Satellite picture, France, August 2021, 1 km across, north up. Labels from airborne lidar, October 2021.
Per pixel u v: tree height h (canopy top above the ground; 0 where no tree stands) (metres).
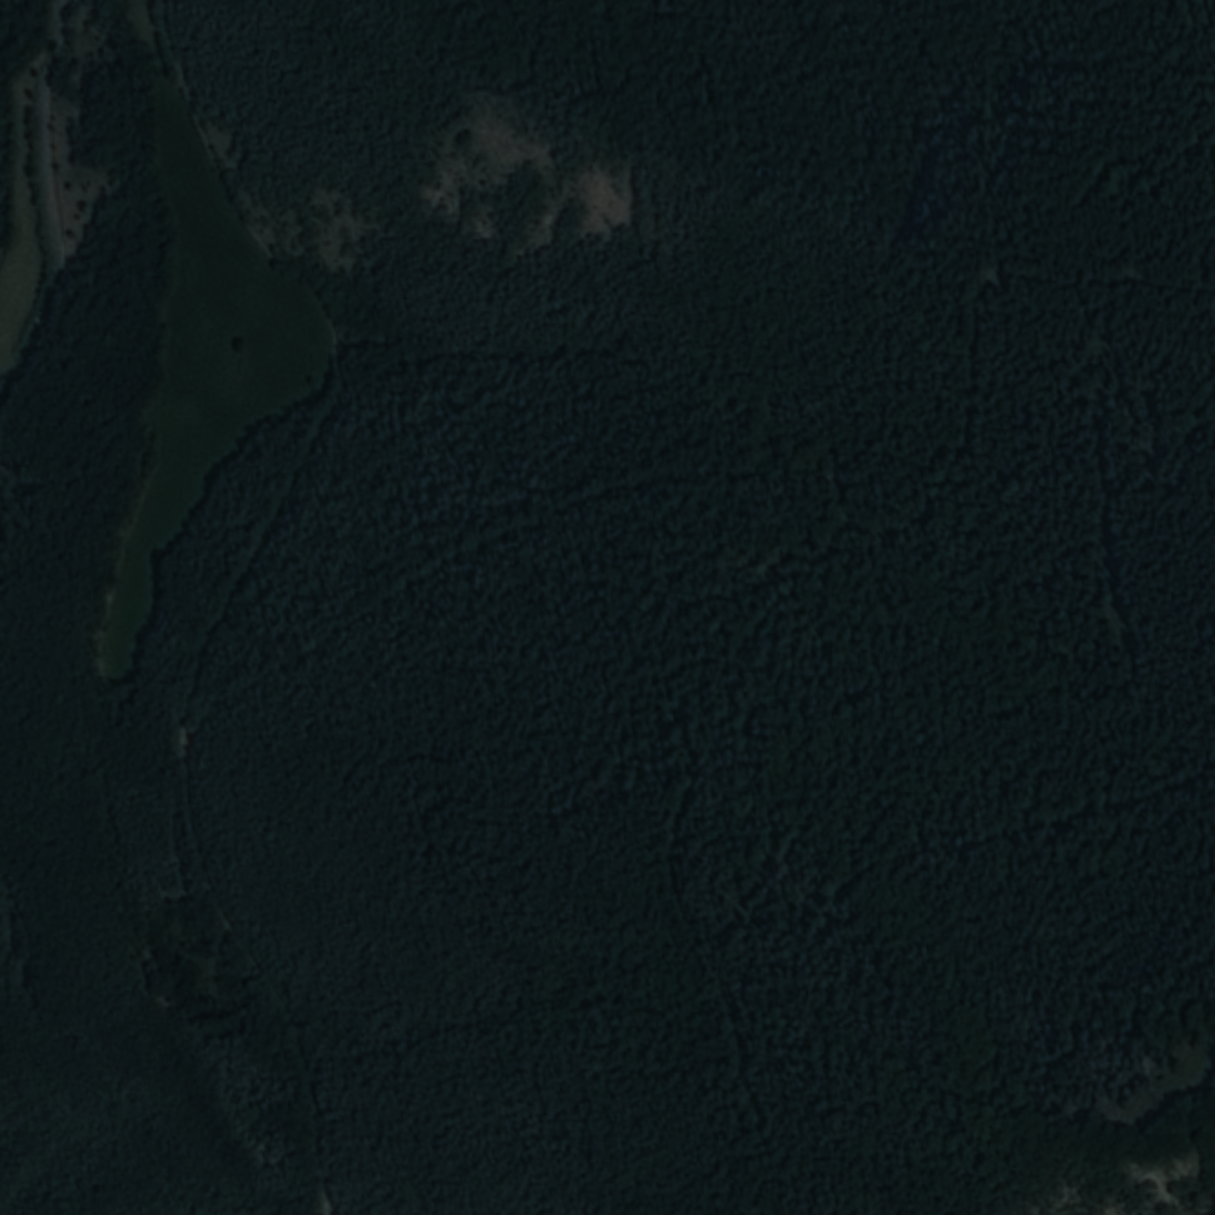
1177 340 27
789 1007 19
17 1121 13
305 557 19
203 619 18
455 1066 14
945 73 29
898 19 31
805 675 24
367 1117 15
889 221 24
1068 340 25
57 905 21
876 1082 20
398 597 16
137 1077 15
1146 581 26
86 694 18
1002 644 20
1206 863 21
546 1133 13
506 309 20
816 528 21
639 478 15
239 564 17
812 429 15
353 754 14
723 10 21
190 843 12
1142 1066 20
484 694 16
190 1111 15
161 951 11
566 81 18
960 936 24
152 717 18
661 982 20
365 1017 14
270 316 0
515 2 25
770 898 16
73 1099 14
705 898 22
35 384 22
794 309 18
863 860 20
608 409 17
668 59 21
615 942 17
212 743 13
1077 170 25
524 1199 10
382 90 13
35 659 16
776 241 17
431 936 17
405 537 14
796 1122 15
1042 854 27
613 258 13
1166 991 16
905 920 21
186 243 0
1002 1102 16
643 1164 12
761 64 26
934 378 20
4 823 20
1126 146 29
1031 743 23
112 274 23
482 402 22
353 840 16
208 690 15
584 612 19
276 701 15
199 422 0
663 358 22
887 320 18
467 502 12
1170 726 28
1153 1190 7
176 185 0
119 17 9
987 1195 17
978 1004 21
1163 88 23
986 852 23
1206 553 23
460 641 16
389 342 7
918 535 14
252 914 16
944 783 22
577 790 13
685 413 17
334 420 11
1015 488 34
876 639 22
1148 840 24
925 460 17
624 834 15
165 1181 13
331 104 14
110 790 16
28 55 17
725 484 19
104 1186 15
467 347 14
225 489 15
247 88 15
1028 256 17
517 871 16
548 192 6
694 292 18
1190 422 23
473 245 10
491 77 16
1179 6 29
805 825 18
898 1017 14
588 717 15
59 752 17
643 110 17
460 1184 17
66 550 17
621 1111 12
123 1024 14
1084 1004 19
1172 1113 16
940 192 14
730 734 17
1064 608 18
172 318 0
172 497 0
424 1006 15
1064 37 19
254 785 15
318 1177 11
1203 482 27
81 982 17
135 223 16
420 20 20
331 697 14
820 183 20
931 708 20
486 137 0
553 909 13
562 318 25
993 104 15
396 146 12
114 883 15
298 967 18
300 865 16
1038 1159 18
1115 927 27
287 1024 16
